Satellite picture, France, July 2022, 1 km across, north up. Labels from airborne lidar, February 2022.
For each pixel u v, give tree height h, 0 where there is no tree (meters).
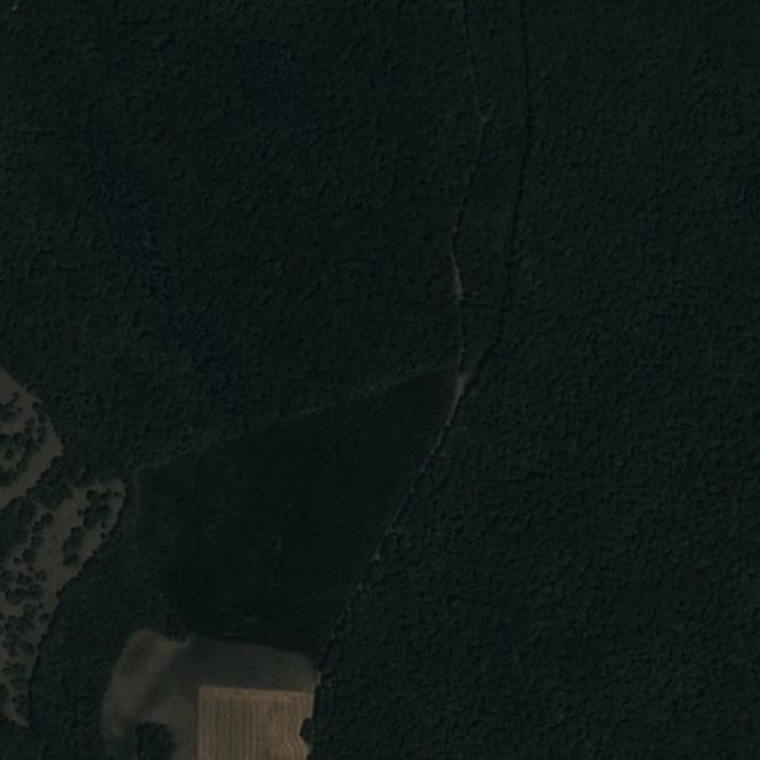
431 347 23
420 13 12
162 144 20
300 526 5
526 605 22
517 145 18
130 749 0
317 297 28
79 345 17
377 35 22
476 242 21
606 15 15
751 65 16
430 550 18
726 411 14
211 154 20
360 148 21
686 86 17
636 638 20
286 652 9
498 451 19
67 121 23
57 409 18
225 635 8
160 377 19
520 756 18
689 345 21
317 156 22
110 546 14
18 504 13
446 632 20
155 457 19
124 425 21
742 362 18
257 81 23
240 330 15
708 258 19
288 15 19
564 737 18
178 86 19
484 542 15
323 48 21
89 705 24
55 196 23
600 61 19
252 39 15
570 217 20
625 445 19
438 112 19
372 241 22
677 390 18
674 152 19
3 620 13
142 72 20
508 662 18
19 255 19
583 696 20
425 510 13
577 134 21
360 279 23
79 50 17
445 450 15
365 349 18
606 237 18
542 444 19
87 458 16
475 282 20
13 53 18
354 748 20
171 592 6
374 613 19
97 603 17
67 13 20
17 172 16
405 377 19
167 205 16
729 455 17
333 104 23
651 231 17
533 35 16
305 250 24
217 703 0
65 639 19
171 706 0
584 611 16
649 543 12
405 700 18
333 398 22
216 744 0
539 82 17
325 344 18
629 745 17
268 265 27
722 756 20
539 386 18
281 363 18
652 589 18
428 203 20
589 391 20
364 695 19
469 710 18
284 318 19
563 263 17
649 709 16
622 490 19
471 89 14
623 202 16
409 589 19
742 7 14
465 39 9
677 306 13
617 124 18
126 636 17
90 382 13
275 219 20
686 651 18
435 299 24
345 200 23
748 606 18
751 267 19
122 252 25
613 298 21
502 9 19
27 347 20
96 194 24
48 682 22
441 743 18
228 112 15
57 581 0
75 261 18
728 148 18
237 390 25
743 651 16
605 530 19
